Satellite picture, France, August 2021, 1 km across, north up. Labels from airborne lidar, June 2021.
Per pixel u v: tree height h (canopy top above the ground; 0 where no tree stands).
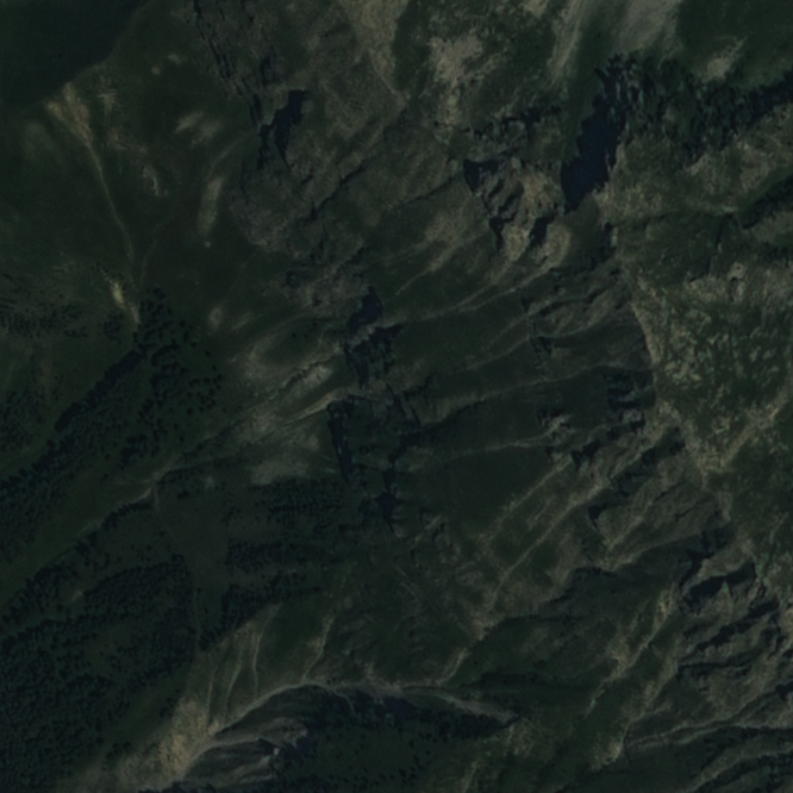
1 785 15
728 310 0
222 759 0
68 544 0
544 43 0
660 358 0
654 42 0
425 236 0
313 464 0
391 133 0
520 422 0
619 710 0
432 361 0
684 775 0
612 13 0
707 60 0
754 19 0
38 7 0
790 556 0
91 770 0
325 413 0
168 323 14
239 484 0
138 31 0
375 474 0
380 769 0
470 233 0
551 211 0
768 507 0
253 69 0
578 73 0
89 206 0
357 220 0
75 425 21
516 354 0
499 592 0
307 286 0
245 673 0
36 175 0
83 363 0
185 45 0
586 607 0
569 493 0
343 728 7
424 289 0
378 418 0
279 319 0
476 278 0
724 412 0
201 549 0
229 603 10
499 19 0
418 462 0
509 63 0
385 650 0
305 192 0
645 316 0
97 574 8
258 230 0
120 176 0
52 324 7
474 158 0
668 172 0
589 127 0
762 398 0
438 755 0
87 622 15
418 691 0
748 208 0
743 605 0
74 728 13
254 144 0
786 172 0
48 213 0
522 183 0
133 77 0
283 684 0
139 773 0
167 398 19
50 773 24
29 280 0
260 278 0
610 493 0
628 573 0
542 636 0
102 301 0
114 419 19
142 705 0
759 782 0
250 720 0
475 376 0
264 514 0
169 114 0
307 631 0
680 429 0
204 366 0
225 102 0
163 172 0
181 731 0
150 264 0
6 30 0
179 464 0
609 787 0
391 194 0
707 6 0
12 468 0
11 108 0
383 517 0
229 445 0
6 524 27
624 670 0
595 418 0
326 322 0
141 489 0
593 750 0
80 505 0
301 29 0
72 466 22
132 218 0
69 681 21
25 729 24
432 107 0
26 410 6
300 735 0
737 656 0
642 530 0
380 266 0
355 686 0
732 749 0
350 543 0
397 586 0
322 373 0
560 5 0
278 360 0
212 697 0
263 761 0
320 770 0
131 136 0
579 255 0
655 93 8
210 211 0
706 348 0
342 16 0
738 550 0
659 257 0
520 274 0
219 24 0
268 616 0
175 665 13
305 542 0
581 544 0
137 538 0
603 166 8
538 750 0
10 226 0
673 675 0
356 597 0
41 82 0
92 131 0
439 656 0
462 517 0
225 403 0
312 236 0
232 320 0
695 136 0
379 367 0
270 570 0
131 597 12
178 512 0
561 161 0
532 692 0
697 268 0
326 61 0
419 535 0
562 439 0
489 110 0
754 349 0
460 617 0
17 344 0
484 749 0
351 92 0
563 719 0
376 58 0
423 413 0
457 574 0
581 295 0
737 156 0
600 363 0
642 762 0
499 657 0
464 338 0
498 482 0
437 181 0
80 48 0
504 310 0
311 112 0
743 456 0
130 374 19
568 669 0
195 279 0
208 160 0
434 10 0
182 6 0
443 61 0
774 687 0
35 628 0
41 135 0
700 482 0
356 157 0
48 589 18
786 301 0
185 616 6
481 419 0
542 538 0
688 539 0
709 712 0
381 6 0
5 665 17
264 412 0
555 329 0
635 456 0
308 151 0
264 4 0
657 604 0
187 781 0
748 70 0
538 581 0
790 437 0
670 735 0
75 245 0
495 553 0
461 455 0
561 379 0
